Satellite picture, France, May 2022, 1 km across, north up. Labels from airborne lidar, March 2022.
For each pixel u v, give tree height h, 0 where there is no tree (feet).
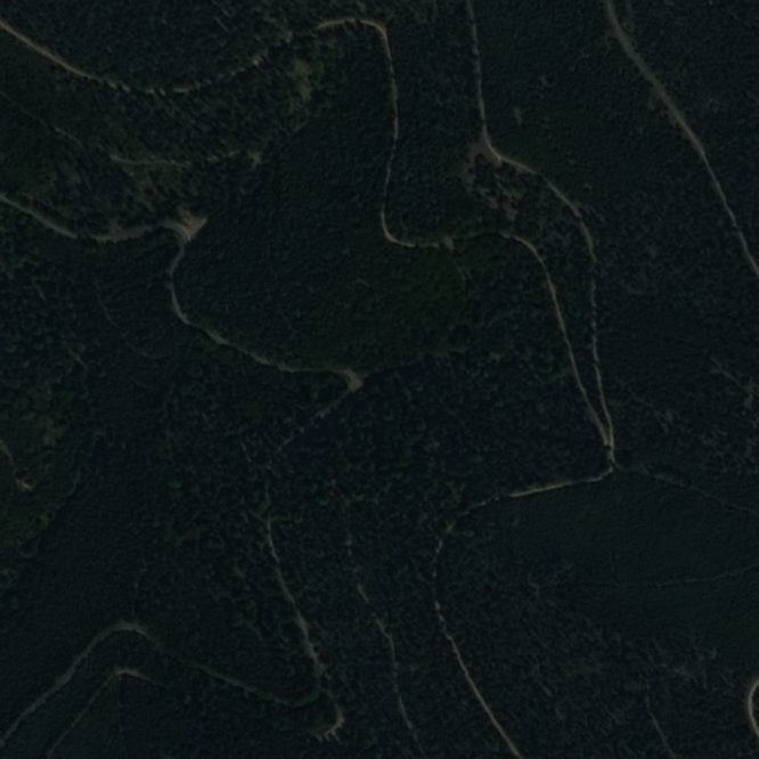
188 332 75
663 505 21
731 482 19
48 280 49
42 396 108
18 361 103
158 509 80
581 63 32
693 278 97
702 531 17
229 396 67
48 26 74
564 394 23
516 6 40
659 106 25
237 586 65
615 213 113
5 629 52
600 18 21
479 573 77
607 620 48
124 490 42
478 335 51
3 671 75
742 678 20
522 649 97
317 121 29
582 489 42
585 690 35
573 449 87
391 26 33
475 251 48
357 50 40
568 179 33
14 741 20
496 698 34
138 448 71
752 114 94
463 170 0
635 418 117
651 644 20
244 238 29
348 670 112
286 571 52
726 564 18
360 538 107
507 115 25
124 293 42
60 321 117
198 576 43
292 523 110
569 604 30
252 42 107
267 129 102
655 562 26
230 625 89
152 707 57
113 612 60
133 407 76
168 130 123
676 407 48
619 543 18
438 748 19
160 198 41
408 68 27
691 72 92
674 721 34
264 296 36
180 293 62
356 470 23
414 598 91
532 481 99
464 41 33
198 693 88
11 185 21
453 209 33
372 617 100
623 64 21
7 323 126
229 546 132
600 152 35
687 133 0
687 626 22
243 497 124
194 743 95
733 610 35
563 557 30
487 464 37
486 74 22
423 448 65
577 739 87
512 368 48
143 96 101
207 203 72
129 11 86
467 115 25
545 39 32
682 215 98
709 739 104
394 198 29
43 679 64
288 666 89
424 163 23
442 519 100
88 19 80
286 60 57
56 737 37
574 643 100
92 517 64
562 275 26
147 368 63
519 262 24
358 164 19
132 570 63
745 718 43
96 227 55
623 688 83
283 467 105
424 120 28
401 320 38
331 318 37
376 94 47
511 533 27
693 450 111
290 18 113
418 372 48
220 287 31
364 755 89
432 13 35
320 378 67
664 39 28
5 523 23
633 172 38
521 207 39
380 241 42
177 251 45
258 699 48
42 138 18
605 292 96
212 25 110
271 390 68
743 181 93
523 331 55
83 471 81
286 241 26
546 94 33
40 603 49
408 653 26
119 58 74
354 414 25
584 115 33
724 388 37
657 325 61
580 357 38
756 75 99
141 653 81
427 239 27
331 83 42
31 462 20
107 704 21
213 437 41
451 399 109
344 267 42
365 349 57
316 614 29
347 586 20
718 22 87
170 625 74
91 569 76
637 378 49
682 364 53
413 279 46
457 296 50
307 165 24
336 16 26
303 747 92
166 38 108
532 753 92
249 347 41
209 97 115
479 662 102
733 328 40
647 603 21
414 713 97
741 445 19
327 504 107
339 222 38
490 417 114
